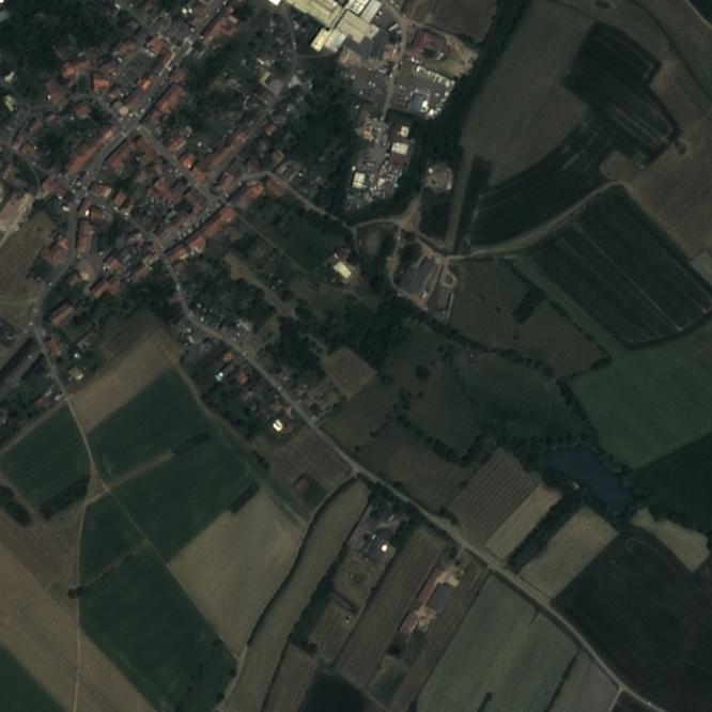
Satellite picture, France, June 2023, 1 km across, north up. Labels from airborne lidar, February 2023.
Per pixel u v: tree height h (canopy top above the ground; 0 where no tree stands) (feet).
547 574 0
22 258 0
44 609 0
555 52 0
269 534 0
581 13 0
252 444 0
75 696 0
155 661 0
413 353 0
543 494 0
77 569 0
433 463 0
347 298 0
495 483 0
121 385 0
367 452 0
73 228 0
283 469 0
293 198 0
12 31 46
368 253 0
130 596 0
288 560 0
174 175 0
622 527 38
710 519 0
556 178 0
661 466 0
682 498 0
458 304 0
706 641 0
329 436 0
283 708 0
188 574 0
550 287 0
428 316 34
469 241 0
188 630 0
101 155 0
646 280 0
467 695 0
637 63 0
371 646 0
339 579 0
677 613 0
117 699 0
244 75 0
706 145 0
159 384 0
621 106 0
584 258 0
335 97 33
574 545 0
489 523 0
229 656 0
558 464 0
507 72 0
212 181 0
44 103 0
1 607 0
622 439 0
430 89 0
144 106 0
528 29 0
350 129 19
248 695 0
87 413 0
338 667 0
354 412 0
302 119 22
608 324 0
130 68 0
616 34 0
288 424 0
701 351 0
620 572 0
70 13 19
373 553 0
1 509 0
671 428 0
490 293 0
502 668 0
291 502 0
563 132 0
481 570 0
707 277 0
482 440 37
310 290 0
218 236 0
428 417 0
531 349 0
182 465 0
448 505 0
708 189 0
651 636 0
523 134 0
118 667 0
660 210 0
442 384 0
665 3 0
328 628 0
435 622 0
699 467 0
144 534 0
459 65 0
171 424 0
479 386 0
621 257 0
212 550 0
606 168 0
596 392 0
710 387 0
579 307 0
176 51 0
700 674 0
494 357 0
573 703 0
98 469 0
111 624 0
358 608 0
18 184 0
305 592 0
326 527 0
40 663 0
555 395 0
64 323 0
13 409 18
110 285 0
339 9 0
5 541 0
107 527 0
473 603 0
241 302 0
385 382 22
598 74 0
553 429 0
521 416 0
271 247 0
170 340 0
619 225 0
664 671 0
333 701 0
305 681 0
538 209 0
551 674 0
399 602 0
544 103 0
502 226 0
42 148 41
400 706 0
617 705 0
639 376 0
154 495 0
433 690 0
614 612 0
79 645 0
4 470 0
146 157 0
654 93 0
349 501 0
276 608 0
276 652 0
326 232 42
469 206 0
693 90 0
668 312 0
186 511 0
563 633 0
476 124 0
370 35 0
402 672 0
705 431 0
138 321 0
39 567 0
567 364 0
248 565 0
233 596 0
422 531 0
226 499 0
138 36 0
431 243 0
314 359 28
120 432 0
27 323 0
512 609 0
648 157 0
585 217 0
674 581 0
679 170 0
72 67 0
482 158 0
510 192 0
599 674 0
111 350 0
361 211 0
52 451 0
